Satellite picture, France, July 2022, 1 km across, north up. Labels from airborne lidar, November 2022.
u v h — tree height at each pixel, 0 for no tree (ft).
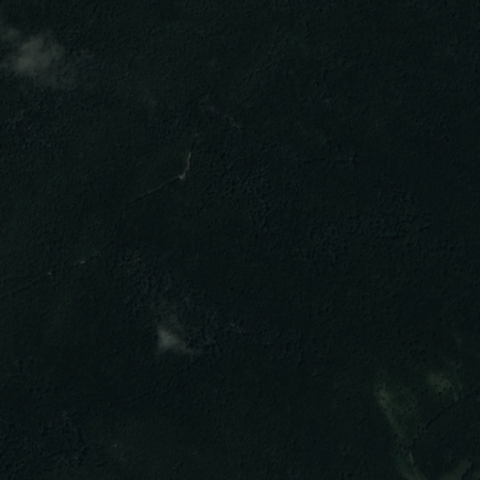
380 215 71
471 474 54
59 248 38
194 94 55
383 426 56
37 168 40
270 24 64
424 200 84
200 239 59
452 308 31
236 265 69
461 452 70
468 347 19
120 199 67
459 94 75
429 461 66
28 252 54
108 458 88
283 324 80
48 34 68
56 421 111
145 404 80
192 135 44
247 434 44
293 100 68
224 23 49
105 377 60
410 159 65
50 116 50
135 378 70
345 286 71
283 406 61
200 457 29
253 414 58
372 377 29
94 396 56
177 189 52
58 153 61
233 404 58
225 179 51
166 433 62
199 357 46
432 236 86
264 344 73
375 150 53
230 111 50
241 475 46
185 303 64
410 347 19
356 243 77
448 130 87
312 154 86
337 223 50
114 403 48
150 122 70
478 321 52
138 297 67
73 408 85
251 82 53
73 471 45
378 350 49
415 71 72
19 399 88
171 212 63
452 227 65
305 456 65
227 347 80
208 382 74
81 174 45
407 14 73
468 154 75
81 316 55
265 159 73
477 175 79
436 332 21
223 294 84
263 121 74
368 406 54
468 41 85
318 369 56
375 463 57
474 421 57
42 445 86
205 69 66
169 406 78
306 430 68
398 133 69
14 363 76
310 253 72
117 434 39
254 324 95
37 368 63
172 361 53
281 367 66
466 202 67
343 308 52
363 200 81
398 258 74
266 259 65
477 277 80
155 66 31
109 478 31
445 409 41
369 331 64
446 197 66
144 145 48
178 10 45
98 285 59
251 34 68
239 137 89
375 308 60
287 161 82
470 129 77
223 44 48
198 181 46
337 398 74
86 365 69
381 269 55
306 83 78
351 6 61
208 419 65
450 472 56
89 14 59
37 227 50
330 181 64
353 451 44
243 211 62
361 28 53
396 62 64
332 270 61
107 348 75
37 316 44
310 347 84
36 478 47
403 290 68
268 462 53
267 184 49
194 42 52
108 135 28
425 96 58
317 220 81
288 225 66
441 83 76
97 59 56
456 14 72
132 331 68
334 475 56
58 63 38
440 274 69
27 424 92
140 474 42
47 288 62
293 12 58
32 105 52
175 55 36
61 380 60
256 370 71
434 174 73
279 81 84
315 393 64
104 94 51
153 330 43
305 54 57
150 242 81
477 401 67
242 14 43
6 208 45
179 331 53
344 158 87
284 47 51
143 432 35
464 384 19
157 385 82
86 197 53
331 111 72
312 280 57
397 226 71
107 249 55
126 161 39
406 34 58
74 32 64
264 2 54
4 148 42
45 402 91
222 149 59
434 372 19
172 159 32
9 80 45
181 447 34
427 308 72
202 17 47
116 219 66
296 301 70
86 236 46
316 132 74
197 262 76
